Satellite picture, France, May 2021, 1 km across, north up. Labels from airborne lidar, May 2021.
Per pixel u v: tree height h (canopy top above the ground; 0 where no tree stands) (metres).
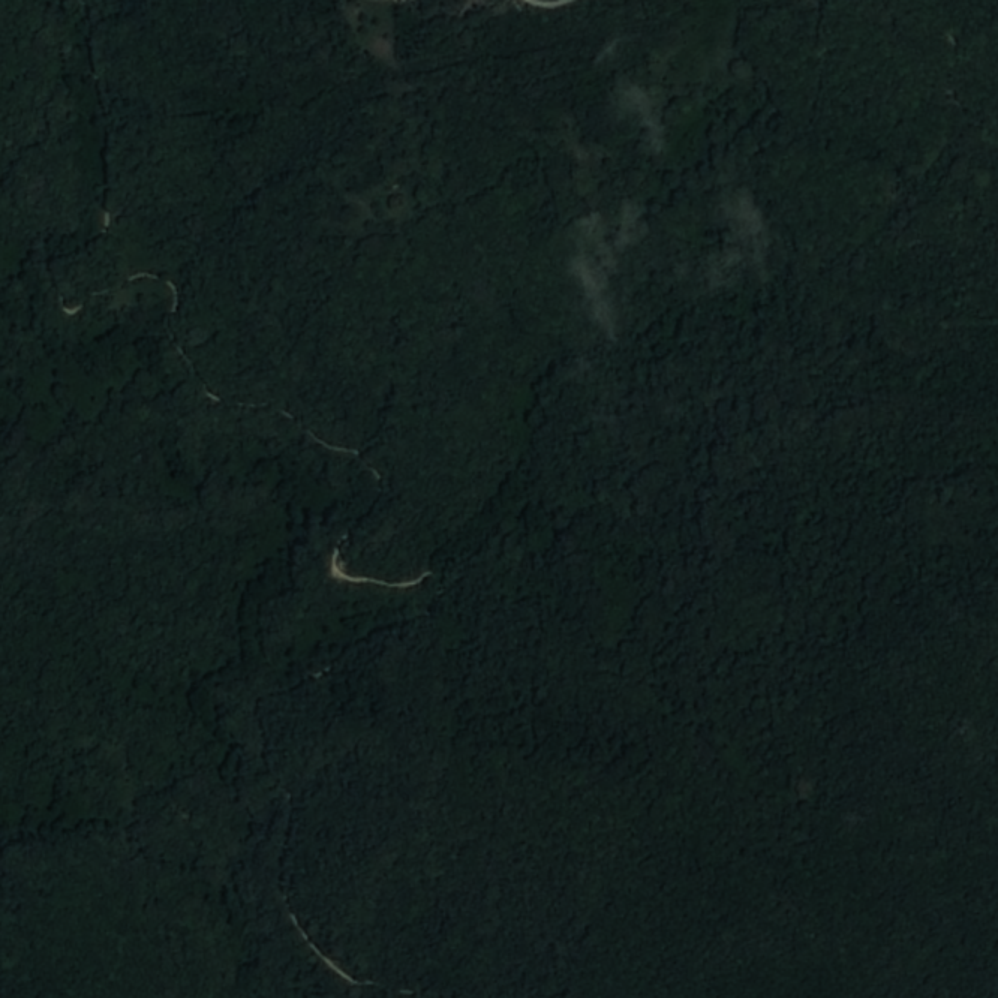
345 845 15
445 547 18
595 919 11
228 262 11
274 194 15
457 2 8
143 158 8
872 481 8
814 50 12
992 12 9
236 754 18
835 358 9
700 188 14
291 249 7
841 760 8
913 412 6
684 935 9
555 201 10
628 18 11
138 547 8
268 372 12
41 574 8
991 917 11
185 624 9
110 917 15
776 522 9
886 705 9
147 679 15
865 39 11
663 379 8
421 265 11
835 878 8
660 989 8
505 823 9
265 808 14
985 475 6
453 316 7
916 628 7
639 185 12
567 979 14
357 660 12
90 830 19
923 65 10
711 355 11
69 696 10
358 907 11
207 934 15
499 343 16
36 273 20
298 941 11
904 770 7
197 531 5
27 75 16
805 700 9
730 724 11
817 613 9
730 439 16
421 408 13
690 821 6
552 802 8
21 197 9
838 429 16
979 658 7
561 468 10
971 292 9
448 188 12
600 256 21
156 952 17
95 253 9
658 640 6
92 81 14
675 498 17
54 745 14
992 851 13
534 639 13
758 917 8
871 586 14
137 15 13
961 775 14
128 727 10
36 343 19
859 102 8
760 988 7
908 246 11
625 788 6
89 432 13
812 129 14
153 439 15
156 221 8
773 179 11
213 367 12
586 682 7
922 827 12
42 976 9
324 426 13
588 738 10
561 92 8
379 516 11
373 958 11
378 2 0
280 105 10
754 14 10
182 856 18
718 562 17
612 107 9
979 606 7
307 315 7
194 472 25
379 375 19
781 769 7
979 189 6
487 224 13
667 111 13
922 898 8
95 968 11
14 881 19
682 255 7
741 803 8
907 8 8
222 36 14
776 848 8
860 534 8
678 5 11
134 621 11
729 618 11
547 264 10
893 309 11
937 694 8
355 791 13
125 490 18
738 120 13
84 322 10
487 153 10
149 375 19
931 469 9
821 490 12
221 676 18
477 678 13
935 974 12
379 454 16
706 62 0
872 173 14
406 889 9
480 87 10
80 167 21
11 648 12
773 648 10
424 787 11
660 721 10
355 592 14
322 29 12
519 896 8
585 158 0
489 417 13
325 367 8
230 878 13
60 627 15
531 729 11
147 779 11
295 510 20
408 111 12
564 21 11
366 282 10
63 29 20
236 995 23
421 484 8
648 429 10
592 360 12
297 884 13
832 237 11
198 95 10
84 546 9
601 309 13
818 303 15
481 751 9
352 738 12
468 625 9
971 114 14
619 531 11
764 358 9
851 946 8
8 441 16
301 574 20
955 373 10
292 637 10
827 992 8
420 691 10
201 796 17
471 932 10
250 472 8
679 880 11
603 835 7
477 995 11
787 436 10
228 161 13
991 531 9
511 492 20
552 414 11
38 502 8
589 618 10
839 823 5
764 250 13
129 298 0
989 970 13
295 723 9
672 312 13
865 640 9
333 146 7
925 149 12
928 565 9
